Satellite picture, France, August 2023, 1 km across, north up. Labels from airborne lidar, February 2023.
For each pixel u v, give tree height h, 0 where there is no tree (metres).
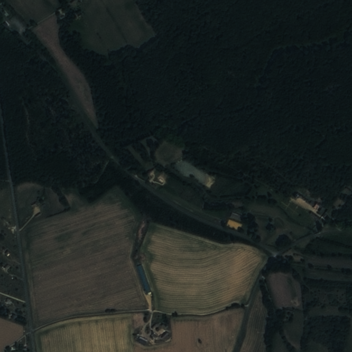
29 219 0
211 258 0
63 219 0
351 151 20
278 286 0
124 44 0
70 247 0
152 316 0
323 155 23
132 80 18
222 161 14
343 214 18
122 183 0
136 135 30
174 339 0
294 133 24
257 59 26
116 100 26
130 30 0
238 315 0
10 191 0
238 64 17
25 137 22
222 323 0
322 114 23
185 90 18
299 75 13
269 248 0
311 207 0
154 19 20
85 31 0
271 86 21
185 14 17
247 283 0
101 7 0
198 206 0
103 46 0
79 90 0
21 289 0
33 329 0
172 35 13
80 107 0
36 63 22
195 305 0
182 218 0
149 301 0
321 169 22
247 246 0
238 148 19
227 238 19
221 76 18
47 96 27
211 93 17
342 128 21
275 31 25
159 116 24
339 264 0
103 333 0
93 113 0
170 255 0
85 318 0
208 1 21
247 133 21
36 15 0
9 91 23
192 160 25
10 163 16
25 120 25
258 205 0
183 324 0
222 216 0
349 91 20
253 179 16
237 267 0
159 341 0
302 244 0
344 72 23
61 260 0
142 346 0
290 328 0
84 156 25
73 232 0
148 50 18
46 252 0
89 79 11
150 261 0
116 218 0
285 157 19
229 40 22
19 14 0
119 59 17
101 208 0
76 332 0
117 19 0
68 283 0
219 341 0
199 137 23
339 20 23
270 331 21
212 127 20
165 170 8
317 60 21
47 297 0
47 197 0
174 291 0
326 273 0
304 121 21
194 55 24
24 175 20
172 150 0
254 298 0
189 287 0
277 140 20
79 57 24
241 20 19
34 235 0
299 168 16
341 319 6
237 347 0
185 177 0
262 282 10
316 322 6
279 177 13
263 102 24
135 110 11
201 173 0
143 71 22
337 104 22
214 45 24
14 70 24
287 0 20
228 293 0
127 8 0
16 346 9
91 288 0
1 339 0
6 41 23
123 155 16
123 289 0
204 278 0
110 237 0
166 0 21
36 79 24
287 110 16
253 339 0
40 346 0
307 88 19
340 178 20
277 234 0
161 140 31
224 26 20
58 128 19
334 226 24
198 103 22
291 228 0
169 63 18
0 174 13
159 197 0
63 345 0
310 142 20
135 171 20
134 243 0
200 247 0
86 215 0
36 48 16
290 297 0
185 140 27
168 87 20
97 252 0
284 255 0
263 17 21
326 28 25
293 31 28
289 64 21
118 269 0
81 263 0
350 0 23
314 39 21
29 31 9
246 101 25
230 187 0
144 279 0
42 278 0
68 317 0
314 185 20
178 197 0
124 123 26
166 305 0
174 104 22
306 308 6
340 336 15
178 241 0
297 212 0
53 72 23
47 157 12
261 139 21
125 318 0
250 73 23
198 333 0
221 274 0
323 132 25
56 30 0
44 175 15
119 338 0
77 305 0
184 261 0
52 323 0
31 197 0
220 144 21
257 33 17
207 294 0
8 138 18
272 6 18
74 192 0
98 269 0
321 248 0
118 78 27
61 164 12
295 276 17
